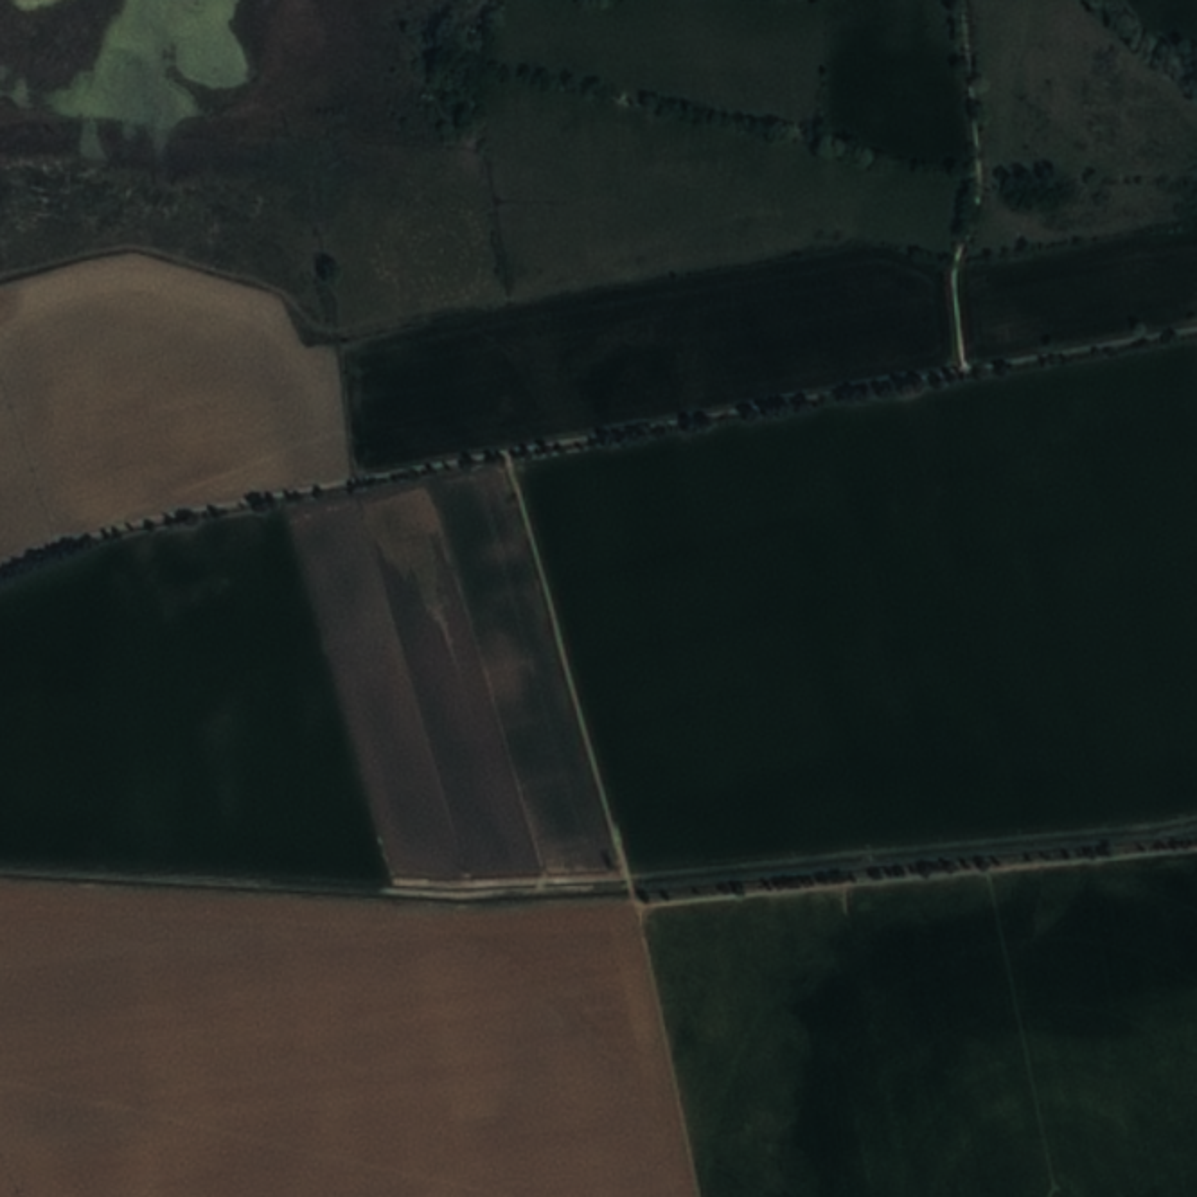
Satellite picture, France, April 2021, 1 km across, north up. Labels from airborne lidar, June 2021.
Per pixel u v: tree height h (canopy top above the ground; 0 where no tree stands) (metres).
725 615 0
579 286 0
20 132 0
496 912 0
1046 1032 0
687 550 0
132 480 0
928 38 0
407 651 0
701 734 0
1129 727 0
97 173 0
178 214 0
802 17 0
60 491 0
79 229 0
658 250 0
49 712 0
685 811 0
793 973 0
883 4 0
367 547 0
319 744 0
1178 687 0
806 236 0
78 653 0
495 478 0
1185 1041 0
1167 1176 0
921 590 0
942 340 0
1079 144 0
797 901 0
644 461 0
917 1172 0
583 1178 0
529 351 0
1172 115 0
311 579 0
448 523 0
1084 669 0
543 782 0
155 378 0
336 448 0
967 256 7
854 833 0
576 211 0
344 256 0
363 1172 0
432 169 0
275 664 0
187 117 0
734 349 0
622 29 0
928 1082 0
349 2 0
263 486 0
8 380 0
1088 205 0
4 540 0
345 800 0
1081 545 0
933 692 0
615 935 0
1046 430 0
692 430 16
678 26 0
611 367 0
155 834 0
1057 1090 0
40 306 0
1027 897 0
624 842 0
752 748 0
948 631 0
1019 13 0
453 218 0
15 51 0
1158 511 0
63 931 0
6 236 0
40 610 0
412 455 0
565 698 0
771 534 0
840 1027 0
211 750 0
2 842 0
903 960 0
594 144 0
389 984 0
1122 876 0
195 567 0
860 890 0
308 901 0
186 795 0
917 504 0
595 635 0
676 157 0
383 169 0
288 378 0
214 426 0
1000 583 0
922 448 0
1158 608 0
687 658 0
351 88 0
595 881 0
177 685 0
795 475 0
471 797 0
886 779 0
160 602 0
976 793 0
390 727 0
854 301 0
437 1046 0
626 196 0
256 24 0
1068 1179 0
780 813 0
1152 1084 0
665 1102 0
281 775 0
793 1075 0
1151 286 0
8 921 0
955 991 0
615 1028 0
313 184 0
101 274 0
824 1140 0
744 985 0
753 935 0
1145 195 0
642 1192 0
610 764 0
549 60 0
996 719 0
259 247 0
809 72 0
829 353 0
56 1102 0
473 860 0
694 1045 0
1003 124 0
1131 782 0
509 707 0
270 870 0
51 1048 0
